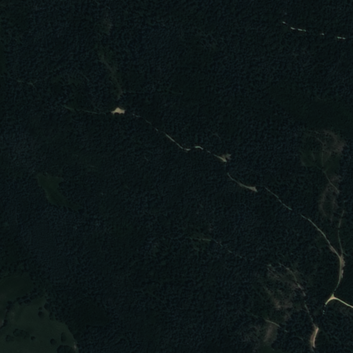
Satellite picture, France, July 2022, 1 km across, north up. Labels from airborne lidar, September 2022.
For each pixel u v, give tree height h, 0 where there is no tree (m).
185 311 21
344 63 17
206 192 22
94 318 11
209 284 23
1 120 9
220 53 9
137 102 19
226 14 25
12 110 15
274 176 26
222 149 22
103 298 22
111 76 8
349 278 8
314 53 24
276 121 13
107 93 27
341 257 0
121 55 7
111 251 11
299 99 11
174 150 12
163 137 12
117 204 15
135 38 8
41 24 26
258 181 22
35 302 0
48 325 0
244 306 25
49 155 14
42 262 26
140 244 12
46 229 23
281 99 11
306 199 11
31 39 26
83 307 9
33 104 11
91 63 26
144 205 30
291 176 22
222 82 22
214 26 25
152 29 35
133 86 15
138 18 13
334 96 15
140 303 16
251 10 13
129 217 14
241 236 24
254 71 26
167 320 16
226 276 18
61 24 29
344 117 9
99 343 21
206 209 16
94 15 28
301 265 16
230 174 30
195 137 22
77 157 9
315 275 14
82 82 34
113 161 9
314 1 19
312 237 21
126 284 18
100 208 10
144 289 20
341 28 12
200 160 16
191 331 20
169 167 24
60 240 20
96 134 16
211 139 20
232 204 18
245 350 21
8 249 8
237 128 9
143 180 16
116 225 16
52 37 30
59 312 19
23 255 22
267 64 26
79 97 7
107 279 16
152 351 16
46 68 14
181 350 13
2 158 14
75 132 13
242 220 23
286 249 8
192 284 18
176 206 20
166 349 15
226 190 29
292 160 27
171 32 30
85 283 25
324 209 7
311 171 11
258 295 27
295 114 13
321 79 9
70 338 0
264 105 12
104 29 13
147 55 33
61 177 14
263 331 8
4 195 19
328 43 23
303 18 24
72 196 26
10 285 0
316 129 7
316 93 16
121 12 29
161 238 17
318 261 8
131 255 12
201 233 10
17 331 9
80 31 26
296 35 28
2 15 17
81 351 14
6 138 25
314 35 26
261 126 20
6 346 0
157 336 16
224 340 26
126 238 6
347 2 14
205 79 21
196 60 16
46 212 24
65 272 24
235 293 22
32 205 19
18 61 10
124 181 13
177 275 20
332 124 7
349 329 21
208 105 11
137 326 17
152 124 9
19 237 18
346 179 27
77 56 18
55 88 6
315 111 14
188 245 8
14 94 13
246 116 18
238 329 27
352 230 13
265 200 9
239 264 24
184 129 24
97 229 14
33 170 24
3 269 22
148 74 22
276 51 13
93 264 15
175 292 28
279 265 16
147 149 15
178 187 18
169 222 25
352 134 12
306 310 27
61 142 11
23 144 25
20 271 9
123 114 10
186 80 8
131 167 16
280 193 27
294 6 17
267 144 21
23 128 16
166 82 16
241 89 7
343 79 23
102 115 12
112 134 6
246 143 25
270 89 11
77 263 17
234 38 22
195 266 7
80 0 23
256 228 26
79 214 27
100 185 10
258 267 22
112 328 25
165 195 23
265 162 26
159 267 23
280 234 18
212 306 21
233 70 21
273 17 13
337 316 10
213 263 12
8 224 18
